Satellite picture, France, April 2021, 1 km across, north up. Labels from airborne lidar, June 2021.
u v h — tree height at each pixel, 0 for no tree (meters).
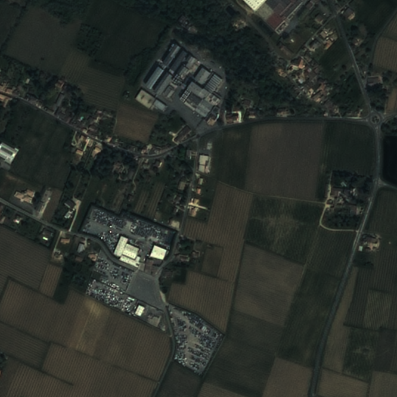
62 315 0
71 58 0
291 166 0
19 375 0
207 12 21
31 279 0
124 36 0
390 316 0
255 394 0
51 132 0
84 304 0
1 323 0
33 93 8
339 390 0
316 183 0
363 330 0
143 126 0
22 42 0
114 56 0
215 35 19
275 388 0
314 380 0
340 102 10
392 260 0
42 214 0
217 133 0
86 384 0
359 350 0
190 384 0
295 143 0
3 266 0
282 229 0
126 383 0
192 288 0
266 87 16
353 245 0
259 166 0
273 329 0
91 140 0
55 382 0
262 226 0
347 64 0
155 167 10
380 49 0
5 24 0
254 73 15
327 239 0
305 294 0
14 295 0
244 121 0
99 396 0
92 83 0
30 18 0
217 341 0
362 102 0
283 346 0
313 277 0
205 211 0
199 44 18
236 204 0
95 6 0
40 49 0
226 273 0
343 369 0
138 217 9
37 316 0
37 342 0
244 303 0
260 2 0
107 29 0
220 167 0
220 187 0
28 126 0
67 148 8
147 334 0
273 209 0
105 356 0
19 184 0
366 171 0
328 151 0
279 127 0
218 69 0
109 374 0
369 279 0
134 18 0
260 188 0
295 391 0
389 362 0
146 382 0
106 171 18
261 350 0
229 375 0
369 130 0
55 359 0
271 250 0
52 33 0
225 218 0
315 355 0
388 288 0
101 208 9
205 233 0
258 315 0
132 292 0
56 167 0
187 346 0
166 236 0
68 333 0
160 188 0
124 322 0
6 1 13
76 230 0
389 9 0
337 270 0
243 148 0
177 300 0
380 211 0
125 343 0
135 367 0
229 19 16
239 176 0
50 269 0
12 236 0
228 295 0
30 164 0
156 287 0
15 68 7
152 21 0
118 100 0
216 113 0
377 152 0
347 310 0
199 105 0
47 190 0
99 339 0
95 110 11
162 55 0
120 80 0
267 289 0
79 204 0
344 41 0
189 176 12
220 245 0
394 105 0
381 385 0
